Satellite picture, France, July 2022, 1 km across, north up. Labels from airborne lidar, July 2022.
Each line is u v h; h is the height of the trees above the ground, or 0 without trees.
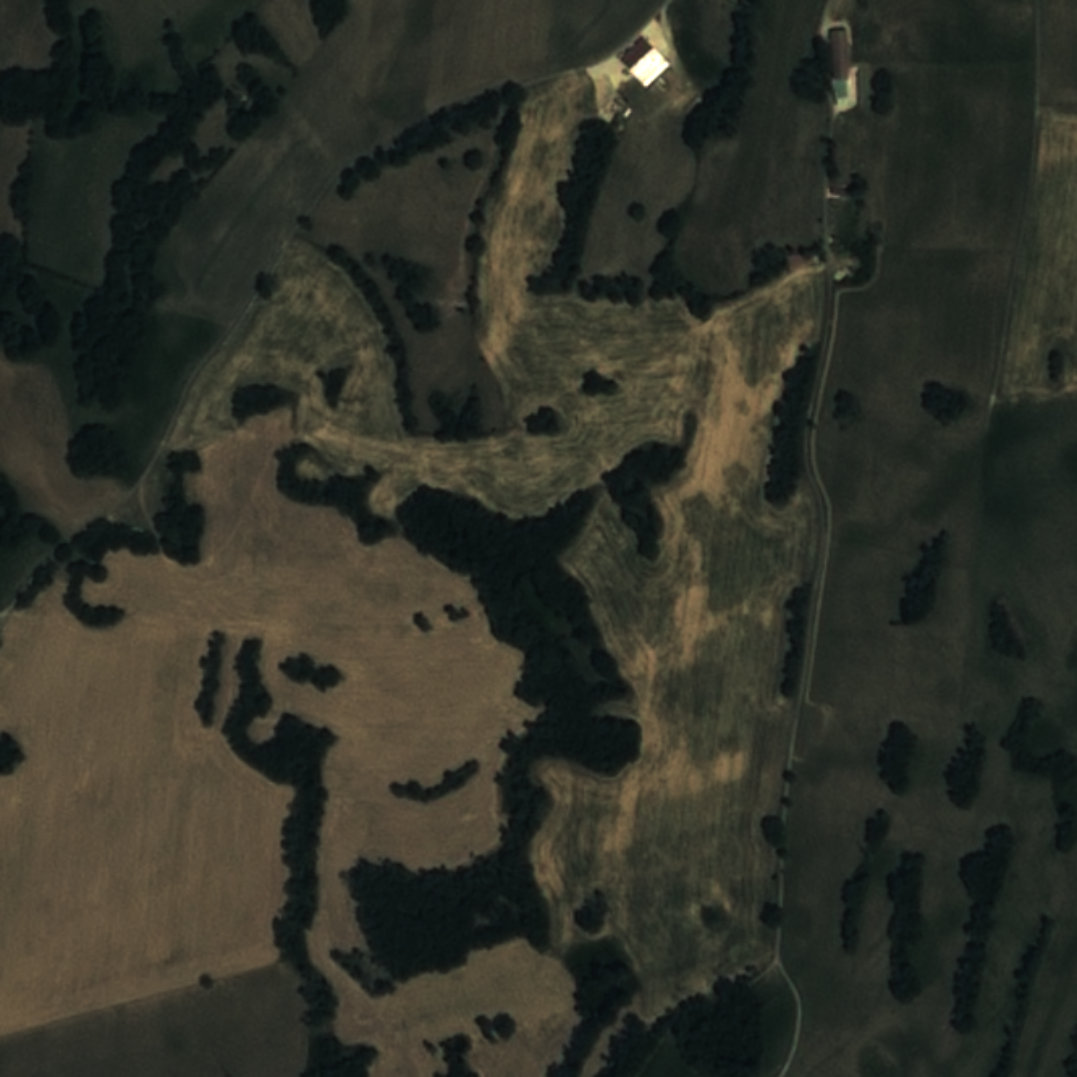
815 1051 0
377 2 0
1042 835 0
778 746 0
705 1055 19
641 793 0
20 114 15
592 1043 13
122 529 12
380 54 0
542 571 21
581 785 0
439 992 0
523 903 19
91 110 17
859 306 0
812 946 0
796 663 12
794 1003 0
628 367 0
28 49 0
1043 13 0
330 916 0
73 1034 0
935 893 0
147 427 0
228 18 0
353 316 0
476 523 20
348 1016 0
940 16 0
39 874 0
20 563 0
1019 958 0
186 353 0
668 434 0
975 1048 0
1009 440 0
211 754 0
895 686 0
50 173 0
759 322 0
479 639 0
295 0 0
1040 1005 0
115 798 0
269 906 0
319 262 0
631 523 17
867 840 7
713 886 0
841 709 0
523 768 7
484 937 17
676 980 0
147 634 0
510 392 0
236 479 0
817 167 0
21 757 11
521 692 11
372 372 0
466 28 0
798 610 14
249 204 0
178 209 17
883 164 0
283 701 0
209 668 11
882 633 0
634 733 19
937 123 0
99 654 0
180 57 15
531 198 0
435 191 0
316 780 10
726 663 0
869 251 7
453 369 0
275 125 0
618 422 0
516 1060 0
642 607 0
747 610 0
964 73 0
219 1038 0
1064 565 0
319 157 0
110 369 19
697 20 0
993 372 0
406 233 0
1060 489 0
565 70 0
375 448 0
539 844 0
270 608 0
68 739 0
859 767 0
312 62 0
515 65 0
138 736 0
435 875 16
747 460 0
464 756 0
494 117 14
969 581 0
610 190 0
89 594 0
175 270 0
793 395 17
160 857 0
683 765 0
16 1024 0
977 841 0
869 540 0
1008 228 0
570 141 0
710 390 0
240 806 0
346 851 0
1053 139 0
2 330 17
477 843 0
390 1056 0
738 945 0
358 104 0
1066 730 0
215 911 0
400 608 0
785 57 0
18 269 15
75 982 0
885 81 12
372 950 16
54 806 0
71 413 0
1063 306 0
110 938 0
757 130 0
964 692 0
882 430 0
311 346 0
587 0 0
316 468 0
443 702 0
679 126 0
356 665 0
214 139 0
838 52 0
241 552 0
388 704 0
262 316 0
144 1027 0
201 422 0
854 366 0
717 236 0
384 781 0
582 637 22
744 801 0
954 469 0
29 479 0
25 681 0
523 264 0
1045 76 0
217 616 0
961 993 15
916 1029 0
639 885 0
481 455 0
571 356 0
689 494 0
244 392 12
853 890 13
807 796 0
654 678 0
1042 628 0
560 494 0
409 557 0
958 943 0
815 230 0
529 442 0
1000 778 0
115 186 10
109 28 0
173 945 0
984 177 0
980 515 0
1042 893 0
